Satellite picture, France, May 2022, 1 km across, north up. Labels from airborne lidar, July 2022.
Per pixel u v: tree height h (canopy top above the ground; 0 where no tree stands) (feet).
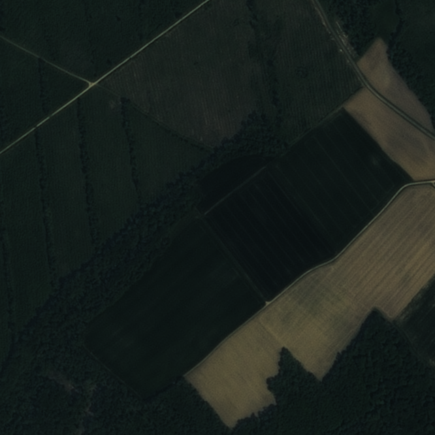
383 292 0
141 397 0
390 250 0
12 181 21
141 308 0
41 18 25
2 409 61
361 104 0
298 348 0
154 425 29
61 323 76
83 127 40
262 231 0
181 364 0
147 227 47
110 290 87
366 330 74
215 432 83
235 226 0
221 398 0
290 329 0
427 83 74
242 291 0
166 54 0
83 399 87
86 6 27
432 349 0
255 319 0
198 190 0
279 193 0
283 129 84
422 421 98
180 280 0
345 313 0
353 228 0
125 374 0
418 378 78
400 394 94
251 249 0
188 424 40
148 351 0
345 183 0
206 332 0
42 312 88
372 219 0
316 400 60
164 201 89
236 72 0
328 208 0
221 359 0
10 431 66
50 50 23
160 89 0
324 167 0
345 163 0
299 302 0
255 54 19
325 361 0
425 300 0
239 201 0
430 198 0
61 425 79
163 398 52
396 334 81
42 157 42
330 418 44
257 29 83
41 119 17
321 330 0
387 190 0
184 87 0
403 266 0
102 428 67
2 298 18
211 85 0
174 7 31
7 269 61
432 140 0
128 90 0
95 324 0
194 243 0
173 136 34
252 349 0
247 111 0
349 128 0
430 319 0
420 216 0
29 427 96
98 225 46
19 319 20
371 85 0
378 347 61
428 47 21
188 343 0
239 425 46
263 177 0
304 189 0
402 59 73
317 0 0
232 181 0
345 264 0
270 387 54
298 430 45
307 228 0
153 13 26
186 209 71
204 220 0
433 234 0
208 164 69
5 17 81
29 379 61
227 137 0
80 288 79
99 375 66
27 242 17
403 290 0
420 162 0
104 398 89
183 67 0
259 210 0
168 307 0
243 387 0
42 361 47
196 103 0
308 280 0
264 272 0
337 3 35
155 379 0
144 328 0
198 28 0
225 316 0
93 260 74
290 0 0
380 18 0
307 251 0
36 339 103
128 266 101
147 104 0
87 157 26
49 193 22
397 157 0
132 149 59
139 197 21
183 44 0
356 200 0
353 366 43
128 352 0
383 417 90
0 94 45
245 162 0
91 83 0
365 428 72
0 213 21
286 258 0
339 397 55
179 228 0
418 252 0
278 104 82
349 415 70
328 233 0
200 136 0
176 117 0
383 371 64
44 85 47
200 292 0
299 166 0
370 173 0
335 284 0
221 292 0
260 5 0
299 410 45
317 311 0
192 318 0
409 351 45
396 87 0
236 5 0
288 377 64
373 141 0
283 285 0
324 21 0
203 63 0
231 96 0
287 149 65
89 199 41
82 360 59
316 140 0
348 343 0
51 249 58
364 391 44
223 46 0
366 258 0
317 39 0
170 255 0
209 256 0
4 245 73
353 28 76
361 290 0
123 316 0
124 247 94
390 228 0
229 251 0
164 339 0
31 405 78
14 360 69
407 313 0
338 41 0
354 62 0
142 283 0
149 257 88
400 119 0
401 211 0
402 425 74
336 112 0
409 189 0
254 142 51
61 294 91
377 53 0
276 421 82
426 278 0
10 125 35
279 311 0
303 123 18
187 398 41
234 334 0
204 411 57
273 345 0
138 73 0
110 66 64
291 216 0
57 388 101
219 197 0
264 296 0
